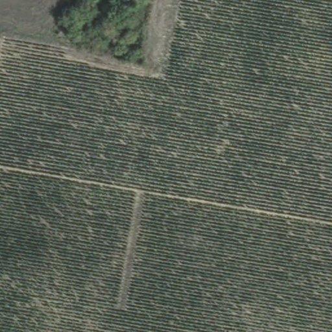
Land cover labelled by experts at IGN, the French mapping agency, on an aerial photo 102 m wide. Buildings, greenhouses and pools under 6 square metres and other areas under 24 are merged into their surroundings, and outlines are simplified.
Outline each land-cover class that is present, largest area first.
<instances>
[{"label":"vineyard","instance_id":"1","mask_svg":"<svg viewBox=\"0 0 332 332\"><path fill-rule=\"evenodd\" d=\"M175 38L171 43L169 67L165 73H154L153 70L144 69L140 65L118 61L110 56H101L100 53H91L86 49L78 51L77 48L70 47L51 41L45 44L35 43L34 39L16 35H0V332H332V0H182L174 29Z\"/></svg>","mask_w":332,"mask_h":332},{"label":"deciduous trees","instance_id":"2","mask_svg":"<svg viewBox=\"0 0 332 332\"><path fill-rule=\"evenodd\" d=\"M153 0H58L51 8L56 25L54 34L64 32L66 39L70 41V47L77 48L78 51L86 49L91 53H100L101 56H110L118 61L140 65L144 62V51L141 47L144 41V27L148 23Z\"/></svg>","mask_w":332,"mask_h":332},{"label":"agricultural land","instance_id":"3","mask_svg":"<svg viewBox=\"0 0 332 332\"><path fill-rule=\"evenodd\" d=\"M58 0H0V35H16L34 39L35 43L45 44L51 41L70 47V41L66 39L64 32L54 34L56 25L51 8Z\"/></svg>","mask_w":332,"mask_h":332},{"label":"herbaceous vegetation","instance_id":"4","mask_svg":"<svg viewBox=\"0 0 332 332\"><path fill-rule=\"evenodd\" d=\"M182 0H153L148 23L144 27V41L141 47L144 51V62L140 65L144 69L153 70L154 73H165L169 67L171 43L175 38L174 29Z\"/></svg>","mask_w":332,"mask_h":332}]
</instances>
